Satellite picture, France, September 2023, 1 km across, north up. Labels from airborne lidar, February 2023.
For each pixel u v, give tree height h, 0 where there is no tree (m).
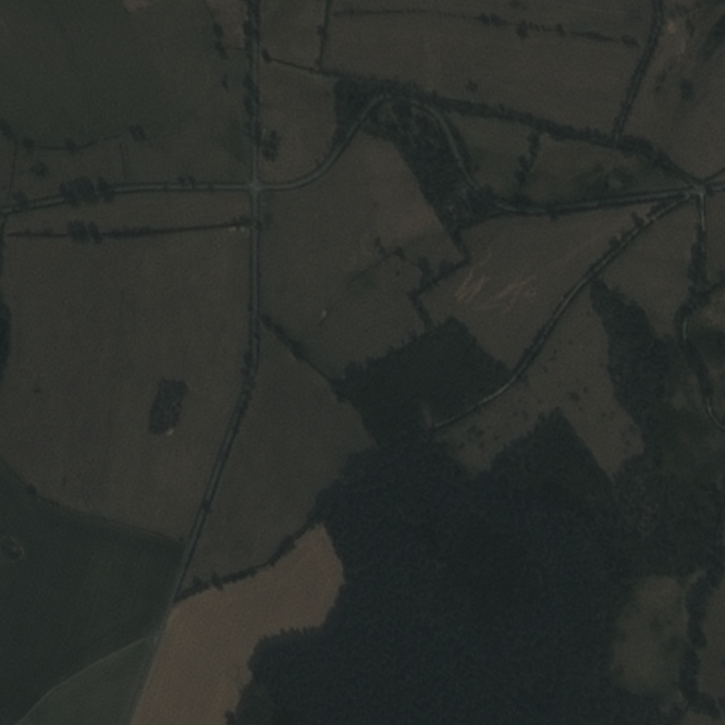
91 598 0
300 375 0
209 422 0
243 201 0
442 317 0
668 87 0
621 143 9
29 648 0
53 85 0
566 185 0
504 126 0
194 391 0
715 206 0
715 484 0
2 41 0
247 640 0
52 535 0
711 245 0
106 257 0
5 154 0
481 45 0
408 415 7
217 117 0
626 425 0
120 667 0
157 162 0
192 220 0
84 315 0
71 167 0
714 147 0
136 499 0
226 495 0
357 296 0
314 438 0
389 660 26
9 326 9
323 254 0
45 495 0
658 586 0
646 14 0
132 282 0
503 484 26
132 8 0
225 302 0
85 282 0
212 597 0
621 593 7
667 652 0
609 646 12
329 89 0
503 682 27
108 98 0
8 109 0
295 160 0
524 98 0
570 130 11
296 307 0
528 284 0
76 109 0
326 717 30
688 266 0
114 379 0
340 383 12
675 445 0
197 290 0
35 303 0
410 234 0
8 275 0
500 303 0
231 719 12
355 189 0
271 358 0
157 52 0
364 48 0
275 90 0
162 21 0
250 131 12
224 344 0
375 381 7
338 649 26
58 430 0
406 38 0
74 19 0
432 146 21
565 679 28
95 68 0
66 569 0
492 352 0
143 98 0
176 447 0
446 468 21
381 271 0
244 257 0
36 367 0
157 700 0
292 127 0
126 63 0
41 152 0
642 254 0
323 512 15
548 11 0
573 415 0
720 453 0
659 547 12
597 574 23
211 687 0
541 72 0
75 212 0
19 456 0
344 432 0
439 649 27
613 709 20
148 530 0
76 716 0
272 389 0
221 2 0
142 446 0
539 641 24
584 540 24
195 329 0
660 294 0
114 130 0
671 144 0
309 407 0
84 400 0
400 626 28
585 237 0
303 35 0
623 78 0
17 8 0
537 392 0
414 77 0
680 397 0
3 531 0
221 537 0
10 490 0
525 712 29
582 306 0
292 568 0
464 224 8
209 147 0
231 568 0
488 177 0
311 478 0
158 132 0
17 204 16
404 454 20
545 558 29
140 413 0
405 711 25
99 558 0
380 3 0
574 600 29
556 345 0
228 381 0
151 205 0
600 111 0
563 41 0
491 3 0
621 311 14
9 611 0
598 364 0
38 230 0
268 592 0
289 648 23
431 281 12
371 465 25
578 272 0
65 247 0
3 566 0
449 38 0
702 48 0
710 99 0
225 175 0
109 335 0
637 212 0
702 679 0
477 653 26
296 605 0
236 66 0
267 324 13
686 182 7
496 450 0
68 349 0
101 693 0
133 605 0
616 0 0
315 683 26
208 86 0
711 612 0
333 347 0
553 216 16
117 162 0
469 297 0
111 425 0
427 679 19
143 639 0
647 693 0
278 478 0
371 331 0
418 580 27
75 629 0
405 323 0
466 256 18
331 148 11
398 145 10
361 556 26
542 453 0
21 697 0
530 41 0
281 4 0
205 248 0
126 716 0
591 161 0
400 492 20
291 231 0
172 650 0
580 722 21
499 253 0
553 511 23
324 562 0
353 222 0
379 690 29
